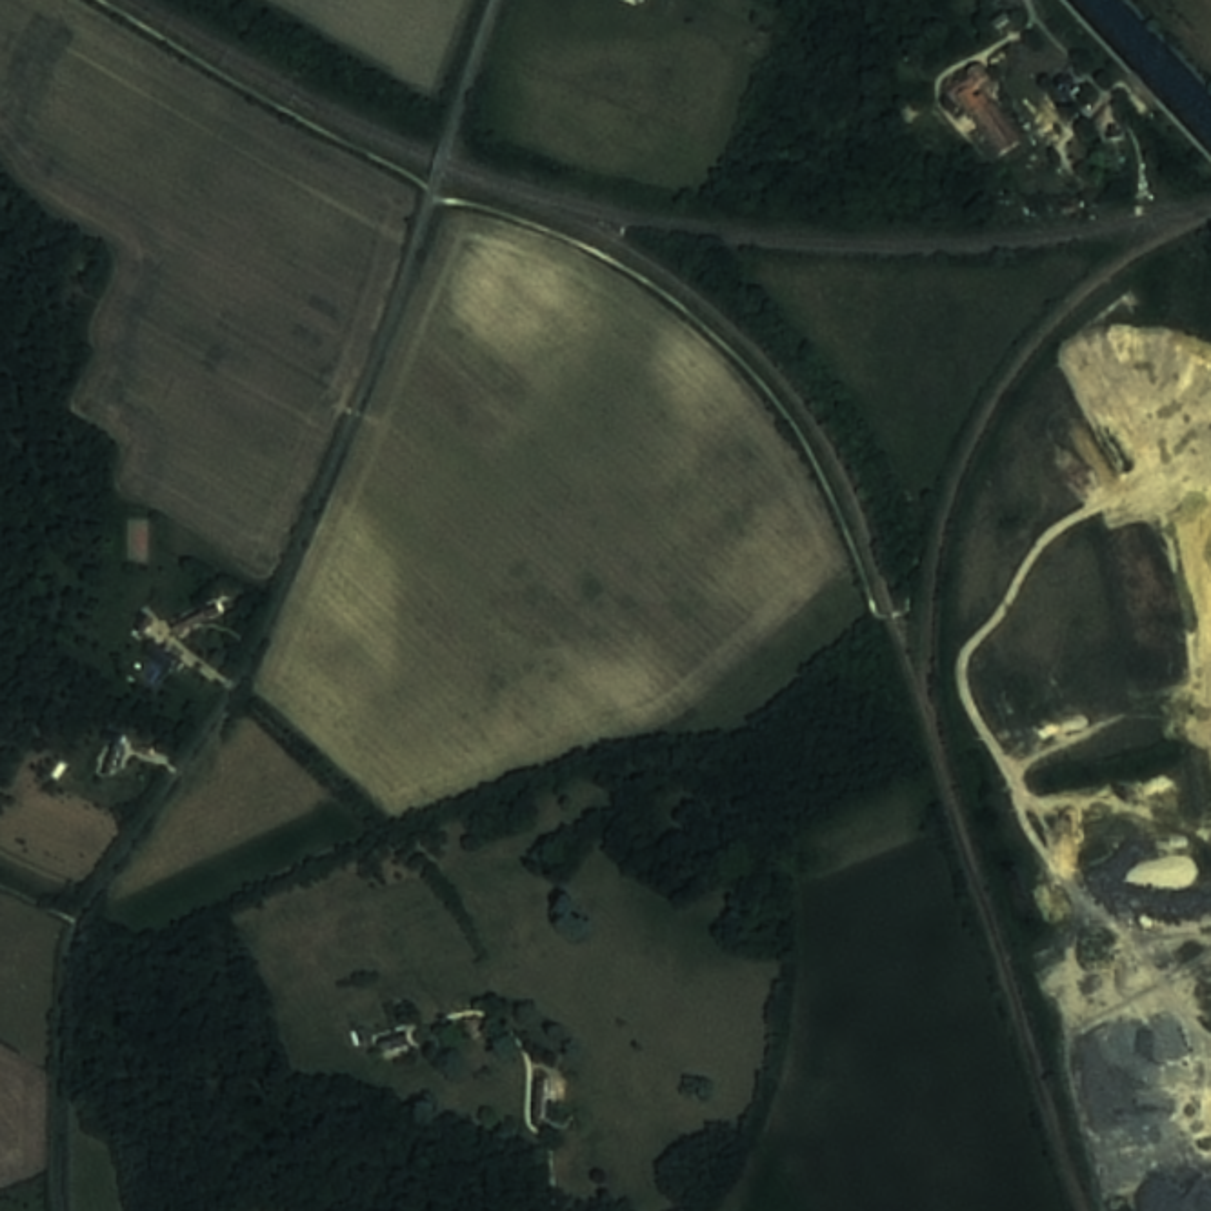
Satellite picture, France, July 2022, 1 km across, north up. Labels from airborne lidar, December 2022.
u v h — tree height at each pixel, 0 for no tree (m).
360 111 0
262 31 17
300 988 0
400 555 0
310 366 0
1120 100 16
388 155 0
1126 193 9
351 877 0
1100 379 0
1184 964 0
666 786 21
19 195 9
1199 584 0
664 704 0
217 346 0
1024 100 0
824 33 20
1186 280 0
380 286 0
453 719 0
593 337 0
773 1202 0
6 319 22
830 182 9
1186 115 0
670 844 19
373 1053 9
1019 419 0
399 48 0
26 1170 0
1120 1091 0
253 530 0
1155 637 0
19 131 0
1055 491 0
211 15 13
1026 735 0
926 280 0
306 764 10
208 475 0
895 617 0
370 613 0
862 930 0
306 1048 0
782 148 7
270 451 0
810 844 0
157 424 0
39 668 22
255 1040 24
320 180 0
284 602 0
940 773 0
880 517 8
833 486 0
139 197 0
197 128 0
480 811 17
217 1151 26
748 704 0
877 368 0
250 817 0
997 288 0
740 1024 0
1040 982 0
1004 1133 0
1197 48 0
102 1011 22
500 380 0
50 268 20
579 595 0
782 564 0
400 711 0
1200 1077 0
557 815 0
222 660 14
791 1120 0
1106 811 0
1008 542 0
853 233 0
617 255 0
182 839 0
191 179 0
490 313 0
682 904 23
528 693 0
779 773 19
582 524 0
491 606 0
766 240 0
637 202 0
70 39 0
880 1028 0
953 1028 0
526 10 0
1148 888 0
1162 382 0
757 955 14
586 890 0
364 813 10
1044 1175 0
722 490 0
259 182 0
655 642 0
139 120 0
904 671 0
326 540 0
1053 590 0
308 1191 23
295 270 0
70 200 0
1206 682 0
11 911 0
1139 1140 0
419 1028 7
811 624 0
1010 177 6
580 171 9
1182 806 0
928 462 0
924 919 0
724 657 0
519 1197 24
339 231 0
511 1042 24
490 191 0
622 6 0
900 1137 0
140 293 0
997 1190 0
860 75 9
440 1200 19
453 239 0
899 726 13
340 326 0
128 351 0
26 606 19
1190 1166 0
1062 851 0
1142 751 0
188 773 0
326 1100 21
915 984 0
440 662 0
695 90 0
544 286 0
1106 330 0
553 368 0
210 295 0
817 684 14
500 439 0
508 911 0
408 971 0
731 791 20
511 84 0
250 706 7
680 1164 20
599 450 0
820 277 0
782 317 10
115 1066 20
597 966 0
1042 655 0
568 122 0
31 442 21
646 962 0
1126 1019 0
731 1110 0
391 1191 12
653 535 0
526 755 0
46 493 21
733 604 0
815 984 0
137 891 0
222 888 0
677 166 0
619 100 0
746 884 20
